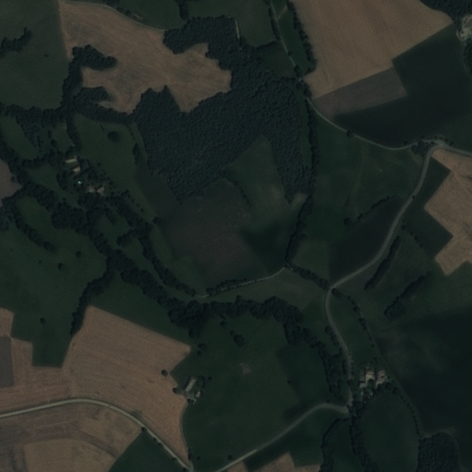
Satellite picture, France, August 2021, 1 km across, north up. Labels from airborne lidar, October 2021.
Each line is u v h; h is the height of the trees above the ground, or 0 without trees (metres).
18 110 11
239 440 0
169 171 9
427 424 0
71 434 0
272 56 0
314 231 0
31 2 0
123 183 0
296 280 0
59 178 14
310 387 0
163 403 0
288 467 0
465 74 0
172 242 0
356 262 0
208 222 0
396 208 0
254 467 0
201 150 8
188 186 8
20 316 0
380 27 0
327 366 15
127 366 0
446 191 0
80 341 0
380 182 0
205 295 0
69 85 13
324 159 0
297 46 0
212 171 7
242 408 0
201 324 25
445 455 18
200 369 0
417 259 0
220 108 13
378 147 0
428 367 0
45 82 0
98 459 0
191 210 0
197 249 0
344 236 0
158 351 0
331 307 0
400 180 0
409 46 0
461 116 0
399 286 0
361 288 0
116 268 18
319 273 0
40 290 0
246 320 0
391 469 0
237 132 8
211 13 0
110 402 0
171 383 0
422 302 0
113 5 10
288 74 0
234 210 0
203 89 0
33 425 0
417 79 0
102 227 0
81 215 23
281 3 0
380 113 0
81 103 11
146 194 0
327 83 0
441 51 0
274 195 0
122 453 0
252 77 16
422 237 0
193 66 0
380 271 13
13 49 11
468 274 0
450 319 0
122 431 0
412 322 0
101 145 0
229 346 0
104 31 0
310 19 0
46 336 0
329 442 12
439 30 0
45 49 0
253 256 0
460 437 0
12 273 0
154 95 13
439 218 0
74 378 0
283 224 0
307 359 0
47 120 18
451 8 15
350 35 0
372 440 0
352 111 0
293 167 12
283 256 0
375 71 0
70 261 0
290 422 0
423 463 14
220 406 0
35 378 0
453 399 0
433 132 0
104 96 9
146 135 10
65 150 0
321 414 0
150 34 0
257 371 0
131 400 0
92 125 0
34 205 0
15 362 0
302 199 0
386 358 0
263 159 0
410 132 0
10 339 0
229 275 0
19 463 0
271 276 0
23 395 0
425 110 0
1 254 0
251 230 0
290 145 12
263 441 0
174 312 20
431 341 0
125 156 0
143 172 0
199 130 10
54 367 0
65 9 0
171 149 8
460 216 0
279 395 0
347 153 0
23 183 15
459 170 0
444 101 0
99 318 0
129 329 0
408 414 0
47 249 16
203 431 0
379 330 0
